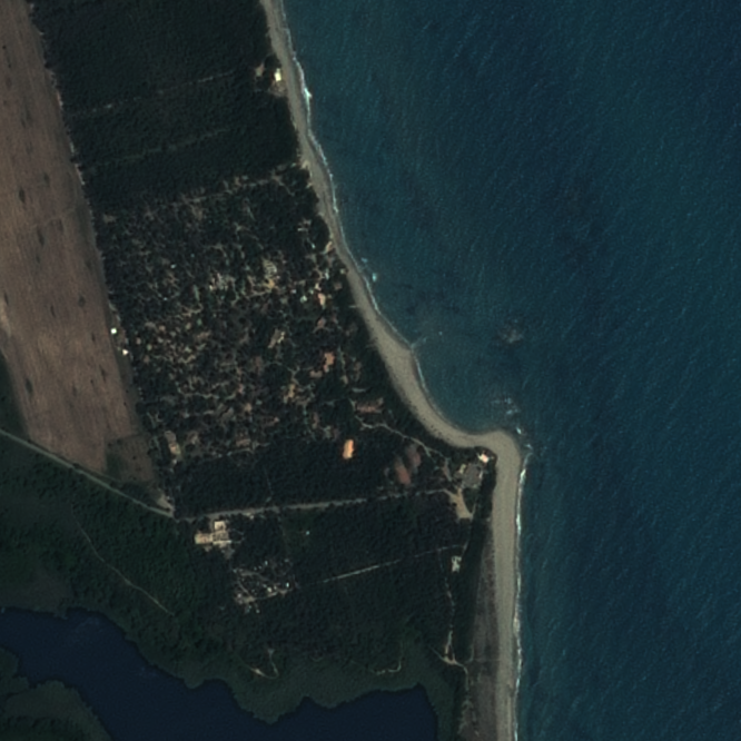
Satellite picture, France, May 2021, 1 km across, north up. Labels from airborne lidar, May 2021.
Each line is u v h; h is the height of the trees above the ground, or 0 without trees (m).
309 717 0
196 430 20
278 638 8
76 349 0
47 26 23
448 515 13
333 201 0
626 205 0
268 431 8
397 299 0
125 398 0
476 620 0
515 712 0
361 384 11
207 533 16
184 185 10
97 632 0
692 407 0
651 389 0
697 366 0
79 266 0
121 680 0
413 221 0
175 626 13
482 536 6
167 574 11
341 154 0
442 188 0
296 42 0
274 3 0
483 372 0
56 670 0
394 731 0
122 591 8
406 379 0
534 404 0
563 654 0
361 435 17
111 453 0
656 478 0
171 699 0
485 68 0
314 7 0
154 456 9
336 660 15
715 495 0
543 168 0
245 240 12
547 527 0
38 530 8
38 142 0
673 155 0
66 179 0
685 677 0
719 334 0
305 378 9
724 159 0
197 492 15
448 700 8
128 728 0
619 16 0
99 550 8
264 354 8
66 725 16
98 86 12
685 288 0
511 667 0
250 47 9
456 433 0
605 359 0
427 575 9
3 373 0
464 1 0
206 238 12
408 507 15
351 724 0
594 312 0
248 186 7
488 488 11
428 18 0
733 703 0
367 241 0
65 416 0
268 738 0
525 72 0
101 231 17
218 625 12
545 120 0
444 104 0
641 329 0
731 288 0
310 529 8
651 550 0
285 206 11
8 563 8
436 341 0
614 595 0
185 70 8
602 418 0
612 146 0
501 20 0
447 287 0
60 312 0
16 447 0
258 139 11
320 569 9
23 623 0
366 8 0
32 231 0
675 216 0
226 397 10
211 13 10
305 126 0
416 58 0
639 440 0
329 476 11
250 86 12
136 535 11
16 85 0
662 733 0
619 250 0
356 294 0
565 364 0
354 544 9
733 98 0
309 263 10
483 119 0
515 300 0
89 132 9
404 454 6
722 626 0
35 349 0
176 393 10
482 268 0
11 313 0
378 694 0
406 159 0
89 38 9
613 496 0
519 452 0
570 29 0
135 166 10
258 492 6
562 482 0
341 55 0
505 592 0
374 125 0
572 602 0
